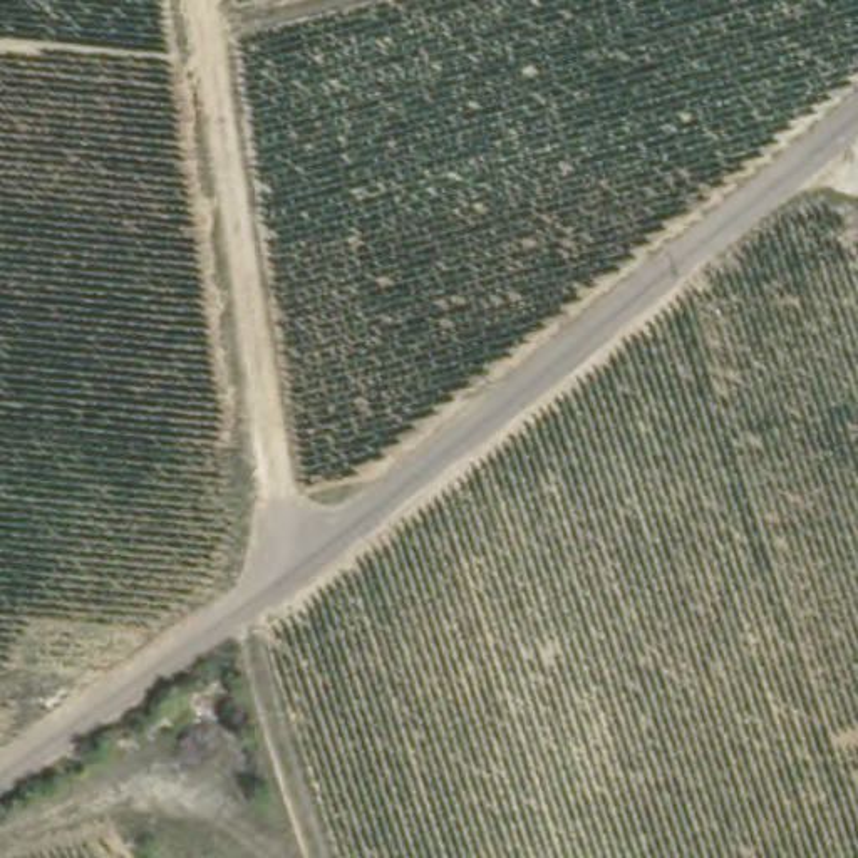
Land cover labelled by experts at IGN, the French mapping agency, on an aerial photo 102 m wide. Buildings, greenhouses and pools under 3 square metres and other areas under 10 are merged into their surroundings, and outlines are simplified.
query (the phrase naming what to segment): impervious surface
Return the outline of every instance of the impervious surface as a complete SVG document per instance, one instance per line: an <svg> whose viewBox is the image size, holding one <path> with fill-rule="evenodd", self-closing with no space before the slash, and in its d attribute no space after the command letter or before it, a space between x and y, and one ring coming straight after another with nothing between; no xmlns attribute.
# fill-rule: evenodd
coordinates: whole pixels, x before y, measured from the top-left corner
<svg viewBox="0 0 858 858"><path fill-rule="evenodd" d="M211 607L191 613L188 620L174 623L164 637L158 637L144 654L137 654L114 674L84 674L84 680L77 680L74 690L50 694L47 714L34 721L13 744L0 744L0 791L7 791L23 774L44 771L70 757L77 734L87 734L97 724L124 717L124 711L144 700L147 687L158 677L184 670L194 657L208 654L225 640L238 644L248 637L261 637L265 644L275 644L278 630L292 623L295 613L308 610L325 587L332 587L342 573L352 573L362 556L392 543L395 530L416 519L442 493L459 486L483 459L499 452L513 436L533 426L543 412L550 412L587 375L603 369L623 349L623 342L647 332L654 318L674 312L687 292L704 292L711 275L734 271L741 245L754 241L768 215L774 215L794 194L814 191L808 178L818 168L824 168L828 161L848 161L858 171L858 77L845 77L845 87L831 90L828 101L794 117L768 147L761 147L757 158L744 161L741 171L724 174L724 181L711 188L704 201L690 204L684 215L670 218L660 231L654 231L647 245L633 248L630 261L597 278L593 285L583 285L576 302L563 305L560 315L553 315L543 328L530 332L519 345L513 345L506 359L496 359L449 402L436 406L436 412L416 422L416 429L402 436L395 446L389 446L382 459L359 466L352 476L315 479L308 486L298 483L292 499L282 503L261 503L255 496L245 566L228 593L221 593Z"/></svg>

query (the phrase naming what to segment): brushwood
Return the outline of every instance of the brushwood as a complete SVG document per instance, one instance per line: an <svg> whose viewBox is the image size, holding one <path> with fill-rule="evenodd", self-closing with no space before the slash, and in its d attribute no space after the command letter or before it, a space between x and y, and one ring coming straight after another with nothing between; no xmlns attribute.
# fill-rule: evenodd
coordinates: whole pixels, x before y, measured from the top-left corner
<svg viewBox="0 0 858 858"><path fill-rule="evenodd" d="M0 821L10 818L13 808L47 798L60 778L80 774L101 757L107 764L121 764L127 761L124 751L151 744L151 734L164 727L188 727L194 714L188 694L211 680L221 684L215 714L225 731L241 734L255 724L248 687L238 670L238 644L225 640L208 654L194 657L184 670L158 677L147 687L144 700L124 711L124 717L97 724L87 734L77 734L70 757L44 771L23 774L7 791L0 791Z"/></svg>

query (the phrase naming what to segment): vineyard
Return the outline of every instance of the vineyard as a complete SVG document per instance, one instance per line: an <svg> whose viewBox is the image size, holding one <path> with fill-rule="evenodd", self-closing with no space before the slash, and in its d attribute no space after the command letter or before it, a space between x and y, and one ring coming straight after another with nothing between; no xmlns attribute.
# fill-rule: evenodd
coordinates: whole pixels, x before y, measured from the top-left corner
<svg viewBox="0 0 858 858"><path fill-rule="evenodd" d="M818 168L808 178L814 191L794 194L774 215L768 215L754 241L741 245L734 271L711 275L704 292L687 292L674 312L654 318L647 332L623 342L623 349L603 369L587 375L550 412L543 412L533 426L513 436L499 452L483 459L459 486L442 493L416 519L395 530L392 543L362 556L352 573L342 573L332 587L325 587L308 610L295 613L292 623L278 630L275 644L265 644L261 637L248 637L238 644L238 670L248 687L255 724L271 768L271 781L288 814L295 851L302 858L858 858L858 171L848 161L828 161L824 168Z"/></svg>
<svg viewBox="0 0 858 858"><path fill-rule="evenodd" d="M174 623L188 620L191 613L211 607L221 593L228 593L245 566L255 496L248 392L238 349L235 285L225 248L221 194L211 168L201 77L188 64L191 40L181 0L0 0L0 744L13 744L34 721L47 714L50 694L74 690L77 680L84 680L84 674L114 674L137 654L144 654L158 637L164 637Z"/></svg>
<svg viewBox="0 0 858 858"><path fill-rule="evenodd" d="M690 204L704 201L711 188L724 181L724 174L741 171L744 161L757 158L761 147L768 147L794 117L828 101L831 90L845 87L845 77L858 77L858 0L221 0L221 13L235 37L235 44L228 44L228 84L235 104L245 194L251 208L251 245L265 295L265 325L275 352L288 452L298 483L308 486L315 479L352 476L359 466L382 459L389 446L395 446L402 436L416 429L416 422L436 412L436 406L449 402L496 359L506 359L513 345L519 345L530 332L543 328L553 315L560 315L563 305L576 302L583 285L593 285L597 278L630 261L633 248L647 245L654 231L660 231L670 218L684 215Z"/></svg>

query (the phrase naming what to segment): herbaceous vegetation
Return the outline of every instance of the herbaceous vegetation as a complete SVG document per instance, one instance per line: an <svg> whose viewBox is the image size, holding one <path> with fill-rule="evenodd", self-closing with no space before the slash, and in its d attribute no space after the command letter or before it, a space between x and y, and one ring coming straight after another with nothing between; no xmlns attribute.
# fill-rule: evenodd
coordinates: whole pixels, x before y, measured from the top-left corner
<svg viewBox="0 0 858 858"><path fill-rule="evenodd" d="M80 774L60 778L47 798L13 808L10 818L0 821L0 858L302 858L295 851L288 814L271 781L271 768L255 724L241 734L225 731L215 714L221 684L211 680L188 694L194 714L188 727L164 727L151 734L151 744L124 751L127 761L121 764L107 764L101 757Z"/></svg>

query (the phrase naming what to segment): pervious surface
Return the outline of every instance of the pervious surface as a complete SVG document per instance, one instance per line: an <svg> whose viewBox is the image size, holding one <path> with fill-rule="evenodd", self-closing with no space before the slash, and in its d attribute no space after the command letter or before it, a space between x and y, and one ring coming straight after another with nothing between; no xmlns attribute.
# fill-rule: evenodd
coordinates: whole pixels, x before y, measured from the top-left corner
<svg viewBox="0 0 858 858"><path fill-rule="evenodd" d="M225 248L235 285L238 349L248 392L255 496L261 503L282 503L292 499L298 483L288 452L275 352L265 325L265 295L251 245L251 208L245 194L235 104L228 84L228 44L235 44L235 37L221 13L221 0L181 0L191 40L188 64L201 77L211 168L221 194Z"/></svg>

